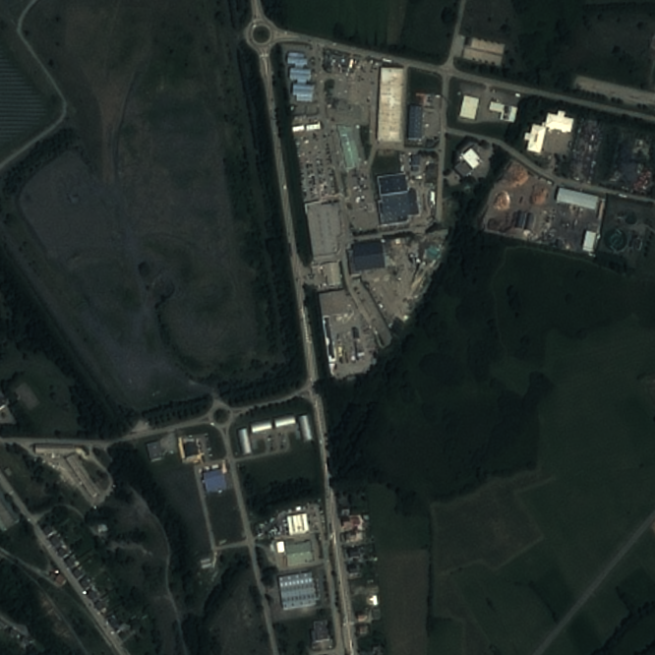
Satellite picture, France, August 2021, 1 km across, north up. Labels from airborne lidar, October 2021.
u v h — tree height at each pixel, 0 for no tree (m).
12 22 0
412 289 0
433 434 0
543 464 0
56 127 0
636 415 0
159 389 0
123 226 0
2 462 0
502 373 0
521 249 0
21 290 22
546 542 0
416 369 0
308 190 0
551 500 0
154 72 0
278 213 12
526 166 0
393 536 0
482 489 0
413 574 0
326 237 0
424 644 0
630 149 0
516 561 0
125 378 0
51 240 0
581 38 0
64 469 0
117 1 0
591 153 0
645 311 0
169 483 0
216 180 0
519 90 0
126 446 7
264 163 13
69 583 6
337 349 0
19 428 15
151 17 0
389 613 0
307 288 13
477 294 6
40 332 20
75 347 10
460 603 0
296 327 15
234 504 0
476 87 0
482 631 0
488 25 0
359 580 0
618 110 0
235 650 0
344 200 0
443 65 0
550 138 0
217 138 0
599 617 0
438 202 0
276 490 8
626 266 12
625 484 0
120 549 12
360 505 0
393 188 0
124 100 0
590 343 0
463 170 0
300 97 0
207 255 0
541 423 0
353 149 0
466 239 19
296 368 16
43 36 0
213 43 0
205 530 0
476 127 0
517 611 0
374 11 0
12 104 0
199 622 16
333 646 0
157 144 0
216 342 0
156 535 0
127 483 11
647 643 0
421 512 0
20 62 0
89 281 0
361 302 0
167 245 0
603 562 0
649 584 0
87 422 16
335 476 10
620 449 0
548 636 0
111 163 0
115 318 0
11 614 9
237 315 0
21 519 7
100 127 0
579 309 0
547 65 7
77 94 0
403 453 0
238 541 0
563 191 0
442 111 0
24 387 0
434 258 0
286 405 9
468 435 0
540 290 0
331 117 0
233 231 0
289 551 0
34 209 0
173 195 0
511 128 12
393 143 0
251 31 0
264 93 16
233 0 12
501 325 0
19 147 0
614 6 10
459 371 6
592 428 0
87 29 0
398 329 20
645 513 0
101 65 0
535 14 0
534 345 0
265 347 0
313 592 0
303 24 0
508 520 0
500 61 0
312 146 0
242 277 0
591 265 0
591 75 0
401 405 0
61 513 10
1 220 0
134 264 0
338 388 6
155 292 0
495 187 0
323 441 0
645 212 0
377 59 0
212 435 0
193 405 14
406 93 0
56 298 0
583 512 0
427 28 0
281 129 11
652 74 0
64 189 0
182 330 0
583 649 0
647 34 0
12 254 10
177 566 6
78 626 7
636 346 0
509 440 6
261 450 0
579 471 0
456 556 0
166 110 0
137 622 8
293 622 0
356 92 0
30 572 8
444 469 0
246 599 0
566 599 0
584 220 0
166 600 0
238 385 12
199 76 0
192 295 0
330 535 0
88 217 0
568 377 0
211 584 0
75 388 11
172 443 0
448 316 0
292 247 0
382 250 0
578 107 14
